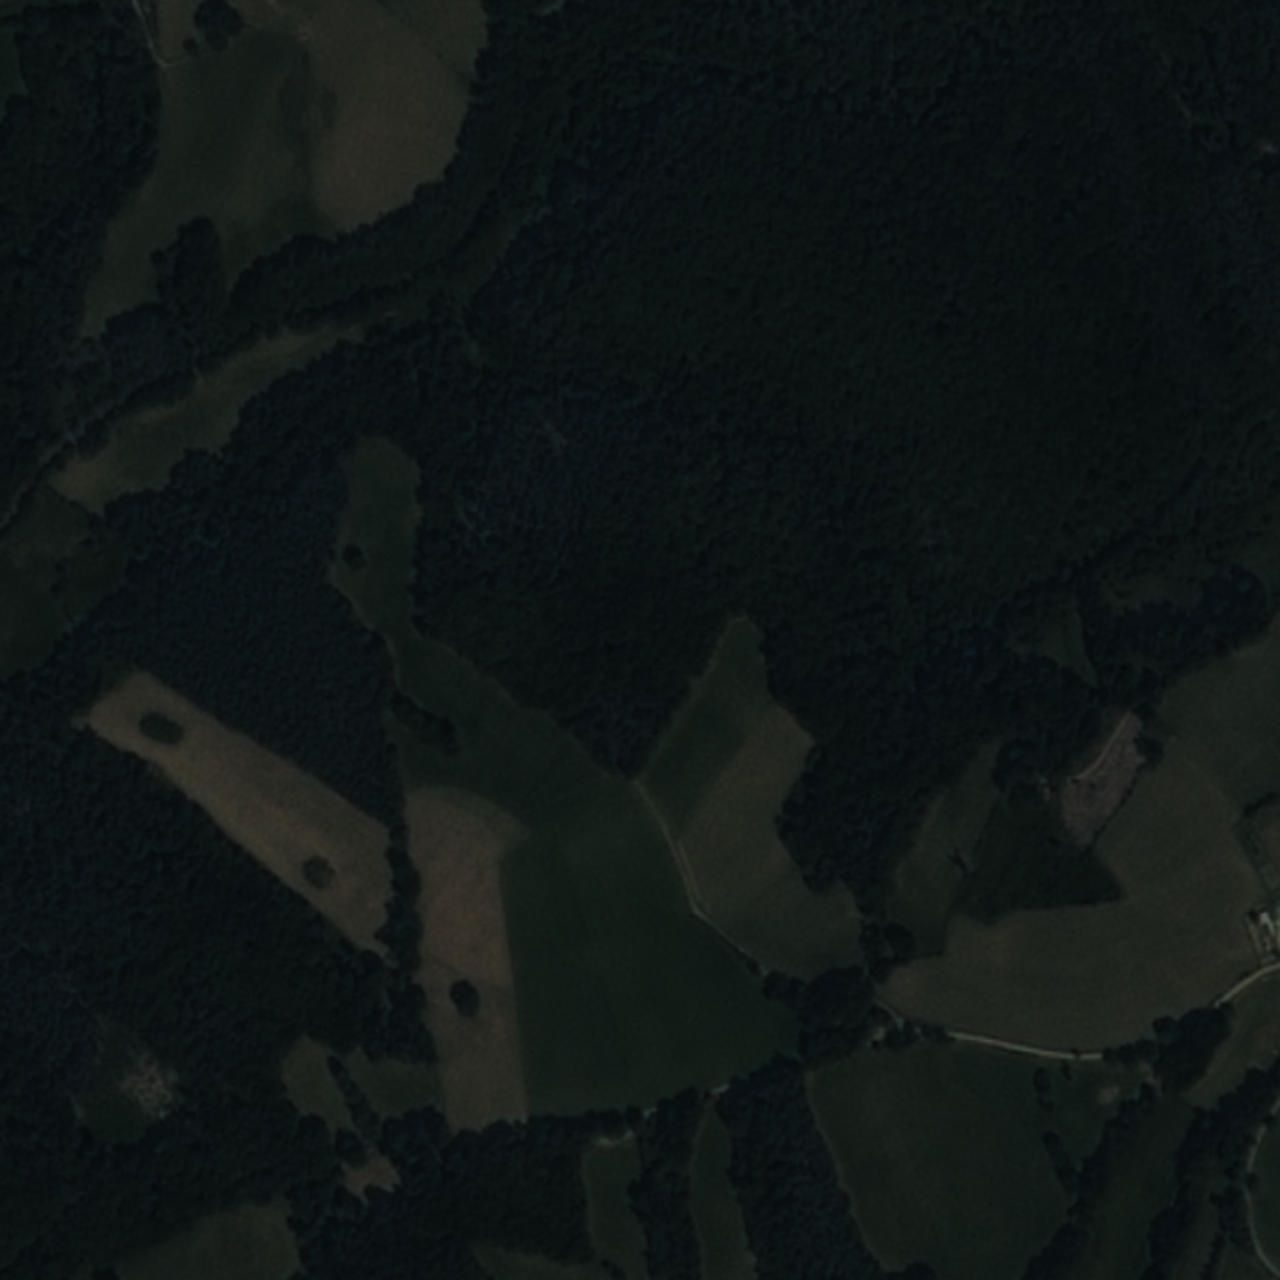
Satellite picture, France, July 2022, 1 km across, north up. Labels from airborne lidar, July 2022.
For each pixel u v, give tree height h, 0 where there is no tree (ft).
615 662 86
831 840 91
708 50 64
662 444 54
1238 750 0
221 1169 62
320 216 0
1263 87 77
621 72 34
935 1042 43
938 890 0
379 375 72
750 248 66
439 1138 77
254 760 0
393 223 58
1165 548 59
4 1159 85
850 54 43
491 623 84
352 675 70
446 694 0
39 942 29
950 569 21
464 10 0
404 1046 78
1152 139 75
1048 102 86
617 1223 0
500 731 0
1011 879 0
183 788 0
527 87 52
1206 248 64
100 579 0
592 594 86
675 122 84
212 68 0
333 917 0
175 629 97
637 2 66
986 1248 0
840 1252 85
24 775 63
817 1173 94
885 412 59
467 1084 0
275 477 78
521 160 57
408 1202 63
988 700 98
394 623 0
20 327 59
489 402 77
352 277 48
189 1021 60
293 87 0
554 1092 0
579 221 78
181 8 0
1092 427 92
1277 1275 0
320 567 73
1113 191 61
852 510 72
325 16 0
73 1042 21
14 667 0
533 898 0
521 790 0
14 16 24
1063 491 66
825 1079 0
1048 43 71
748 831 0
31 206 75
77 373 31
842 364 27
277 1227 0
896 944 61
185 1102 64
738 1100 73
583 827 0
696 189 78
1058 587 51
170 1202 89
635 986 0
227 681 68
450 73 0
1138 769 18
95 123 28
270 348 0
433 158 0
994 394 72
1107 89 72
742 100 63
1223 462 41
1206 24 43
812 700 86
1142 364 88
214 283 85
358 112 0
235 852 74
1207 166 66
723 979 0
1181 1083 77
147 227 0
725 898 0
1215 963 0
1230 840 0
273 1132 76
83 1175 80
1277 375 64
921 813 79
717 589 71
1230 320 58
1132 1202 0
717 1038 0
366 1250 79
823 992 65
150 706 0
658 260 73
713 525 56
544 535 87
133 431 0
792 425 63
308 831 0
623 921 0
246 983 70
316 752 65
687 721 0
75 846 59
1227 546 25
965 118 75
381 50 0
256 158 0
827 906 0
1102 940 0
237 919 73
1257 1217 0
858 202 89
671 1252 71
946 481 54
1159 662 57
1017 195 77
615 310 52
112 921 103
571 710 64
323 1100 0
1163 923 0
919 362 71
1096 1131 0
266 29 0
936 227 76
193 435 0
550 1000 0
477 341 88
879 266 76
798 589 68
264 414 77
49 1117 69
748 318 68
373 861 0
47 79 76
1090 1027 0
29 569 0
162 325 78
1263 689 0
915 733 102
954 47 77
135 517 82
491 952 0
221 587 77
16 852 79
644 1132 28
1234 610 101
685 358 65
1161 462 75
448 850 0
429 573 73
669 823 0
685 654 76
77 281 61
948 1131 0
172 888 67
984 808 0
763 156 66
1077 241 87
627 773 54
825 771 73
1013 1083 0
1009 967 0
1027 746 79
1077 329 96
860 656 88
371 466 0
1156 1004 0
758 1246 68
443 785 0
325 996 83
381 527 0
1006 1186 0
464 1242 64
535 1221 78
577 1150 69
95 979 82
